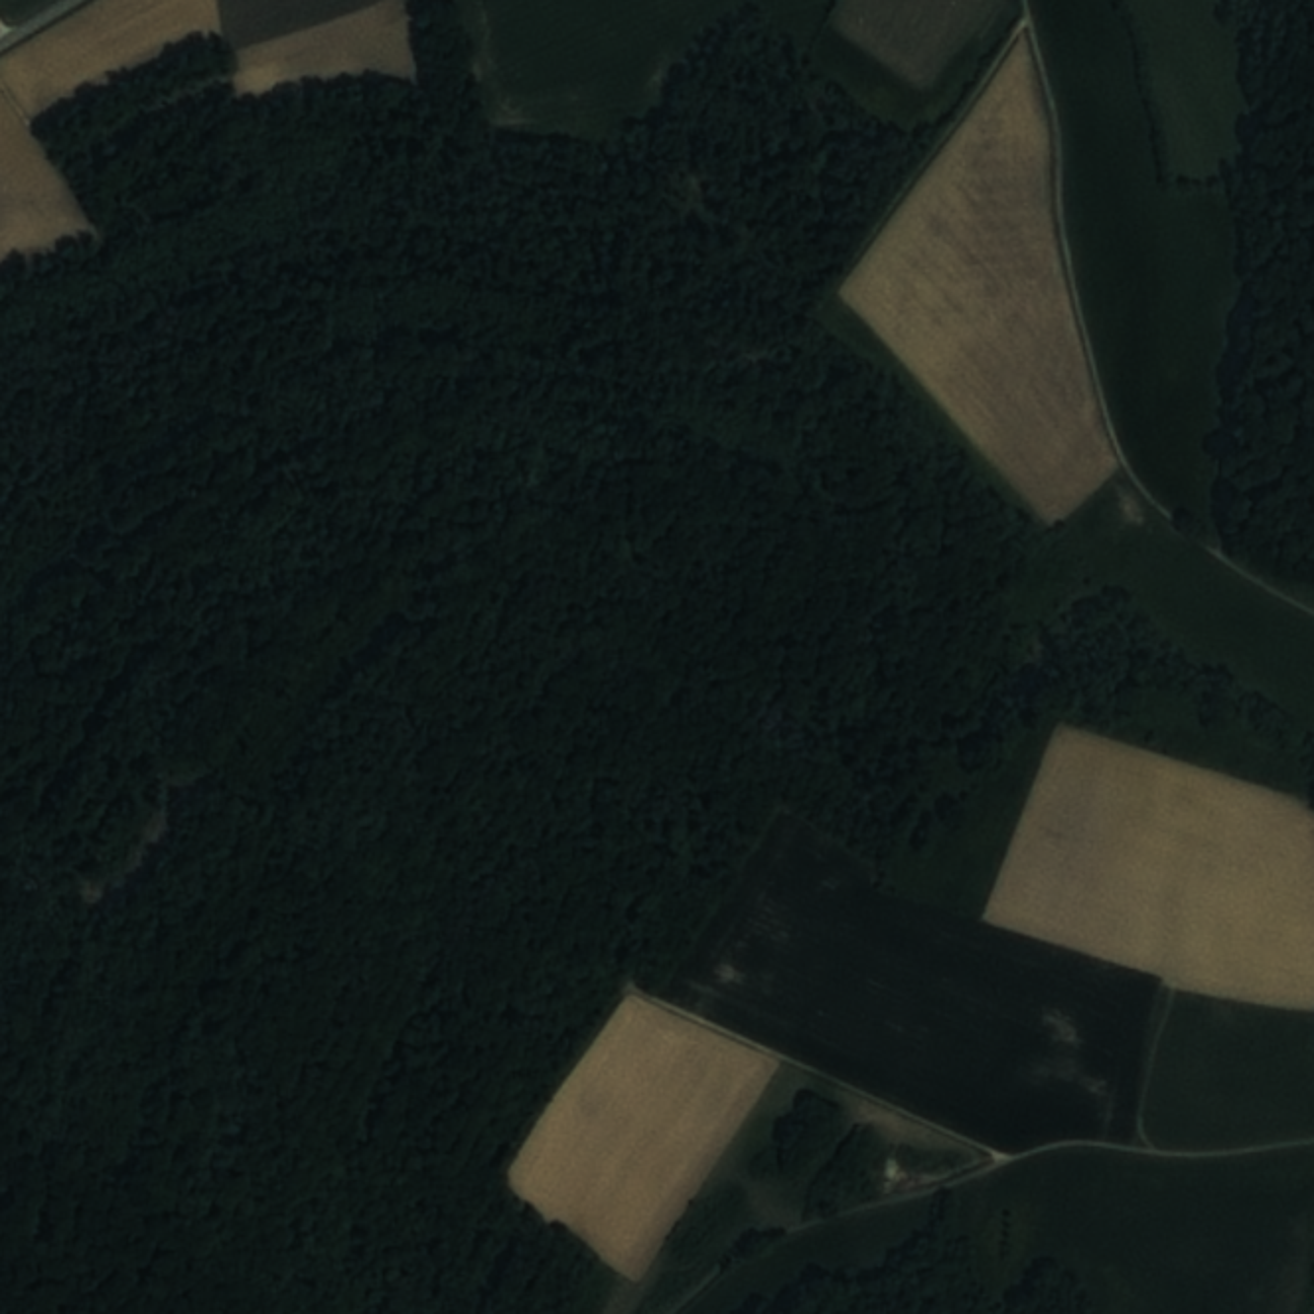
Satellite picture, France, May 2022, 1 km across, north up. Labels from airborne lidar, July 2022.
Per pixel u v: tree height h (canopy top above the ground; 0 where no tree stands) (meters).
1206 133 0
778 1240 12
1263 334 33
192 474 32
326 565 24
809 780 23
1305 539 30
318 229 24
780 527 28
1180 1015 0
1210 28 0
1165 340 0
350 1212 24
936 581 32
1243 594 0
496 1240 25
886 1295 15
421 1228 25
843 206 25
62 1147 26
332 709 17
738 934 0
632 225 28
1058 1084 0
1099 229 0
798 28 0
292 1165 30
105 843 22
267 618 30
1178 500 0
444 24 23
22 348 33
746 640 25
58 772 9
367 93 24
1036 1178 0
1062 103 0
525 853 25
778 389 18
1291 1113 0
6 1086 26
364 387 31
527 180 19
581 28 0
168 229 23
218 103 25
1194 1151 0
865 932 0
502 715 24
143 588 29
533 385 21
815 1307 19
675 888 26
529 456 29
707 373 21
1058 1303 16
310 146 24
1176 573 0
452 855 24
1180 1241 0
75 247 17
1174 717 0
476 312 16
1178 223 0
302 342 29
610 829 26
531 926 27
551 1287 21
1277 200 29
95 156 9
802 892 0
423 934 27
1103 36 0
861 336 0
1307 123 30
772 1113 0
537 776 28
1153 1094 0
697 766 26
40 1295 31
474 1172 27
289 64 0
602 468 23
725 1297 0
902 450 25
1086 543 0
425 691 24
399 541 30
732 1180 0
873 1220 0
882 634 29
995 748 27
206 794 23
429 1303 25
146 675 31
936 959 0
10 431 27
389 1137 32
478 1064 30
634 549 25
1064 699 24
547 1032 23
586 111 0
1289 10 27
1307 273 29
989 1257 0
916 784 13
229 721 32
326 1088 30
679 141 28
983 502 31
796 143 26
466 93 22
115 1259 30
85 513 18
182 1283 31
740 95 10
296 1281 27
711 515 26
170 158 7
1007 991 0
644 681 30
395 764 31
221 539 24
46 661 32
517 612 27
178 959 23
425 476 24
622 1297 0
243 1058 27
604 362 23
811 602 30
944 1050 0
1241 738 0
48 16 0
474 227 20
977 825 0
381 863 27
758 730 23
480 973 30
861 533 31
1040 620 0
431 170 28
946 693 36
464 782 28
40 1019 28
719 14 0
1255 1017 0
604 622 26
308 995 30
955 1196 11
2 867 28
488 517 24
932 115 0
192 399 28
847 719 20
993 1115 0
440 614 23
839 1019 0
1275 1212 0
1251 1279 0
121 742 28
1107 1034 0
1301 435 35
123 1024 25
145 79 19
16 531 30
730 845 26
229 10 0
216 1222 24
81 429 29
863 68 0
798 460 11
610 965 11
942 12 0
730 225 30
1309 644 0
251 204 23
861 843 17
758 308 24
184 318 26
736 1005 0
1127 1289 0
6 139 0
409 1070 25
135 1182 28
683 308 19
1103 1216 0
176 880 22
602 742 27
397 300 21
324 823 26
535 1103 18
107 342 17
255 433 26
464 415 31
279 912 15
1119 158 0
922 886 0
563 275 22
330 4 0
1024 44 0
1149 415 0
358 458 32
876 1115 0
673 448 25
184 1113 28
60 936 23
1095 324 0
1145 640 28
